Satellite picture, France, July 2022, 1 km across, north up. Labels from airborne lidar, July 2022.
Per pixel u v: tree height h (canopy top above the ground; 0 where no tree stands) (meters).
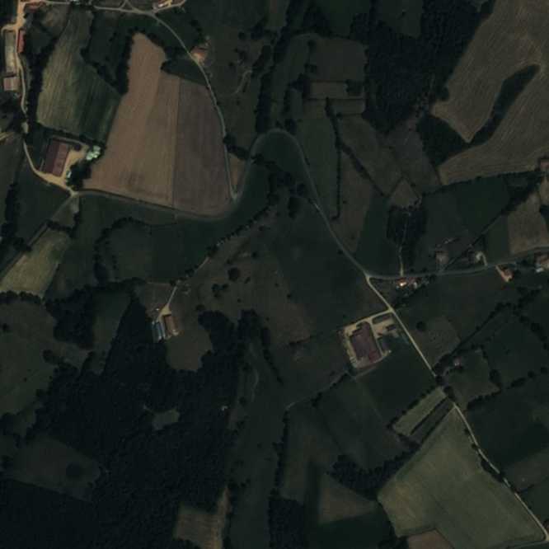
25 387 0
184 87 0
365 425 0
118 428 16
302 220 0
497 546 0
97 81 0
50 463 0
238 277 16
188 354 0
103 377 10
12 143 0
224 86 0
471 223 0
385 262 0
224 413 14
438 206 0
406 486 0
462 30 20
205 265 0
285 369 0
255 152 0
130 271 0
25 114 7
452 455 0
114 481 12
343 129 0
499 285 0
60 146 0
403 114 8
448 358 14
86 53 21
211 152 0
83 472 0
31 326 0
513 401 0
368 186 0
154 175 0
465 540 0
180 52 18
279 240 0
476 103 0
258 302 0
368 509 0
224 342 21
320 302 0
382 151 0
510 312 0
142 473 20
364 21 7
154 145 0
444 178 0
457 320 0
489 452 0
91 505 14
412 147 0
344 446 0
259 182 0
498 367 0
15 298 12
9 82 0
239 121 0
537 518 0
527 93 0
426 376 0
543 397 0
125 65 17
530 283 0
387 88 10
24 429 0
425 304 0
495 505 0
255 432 0
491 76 0
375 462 0
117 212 0
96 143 11
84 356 0
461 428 0
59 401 15
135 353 24
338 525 0
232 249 0
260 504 0
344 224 0
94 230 0
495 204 0
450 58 14
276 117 0
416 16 0
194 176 0
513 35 0
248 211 0
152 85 0
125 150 0
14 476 0
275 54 9
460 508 0
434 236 0
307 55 0
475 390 0
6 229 20
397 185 0
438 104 0
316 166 0
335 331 0
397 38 9
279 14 0
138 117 0
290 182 23
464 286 0
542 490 0
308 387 0
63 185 0
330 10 0
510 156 0
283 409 0
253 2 0
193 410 14
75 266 0
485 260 0
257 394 0
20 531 16
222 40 0
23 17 0
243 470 0
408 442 16
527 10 0
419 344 0
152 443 18
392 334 0
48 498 15
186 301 0
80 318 7
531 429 0
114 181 0
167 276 0
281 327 0
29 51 16
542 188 0
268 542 0
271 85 19
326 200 0
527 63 0
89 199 0
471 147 11
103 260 21
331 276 0
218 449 18
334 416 0
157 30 0
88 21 0
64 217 0
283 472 14
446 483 0
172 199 0
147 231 0
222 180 0
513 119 0
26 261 0
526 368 0
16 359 0
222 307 0
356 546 0
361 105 0
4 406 0
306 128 0
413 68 7
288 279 0
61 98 0
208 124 0
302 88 20
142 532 16
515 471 0
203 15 0
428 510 0
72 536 13
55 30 0
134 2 0
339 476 8
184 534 0
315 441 0
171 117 0
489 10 14
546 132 0
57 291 0
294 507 23
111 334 0
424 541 0
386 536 0
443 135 13
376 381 0
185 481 28
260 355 0
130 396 13
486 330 0
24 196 0
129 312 13
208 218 0
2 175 0
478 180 10
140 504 22
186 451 12
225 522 0
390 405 0
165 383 9
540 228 0
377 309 0
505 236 0
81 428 13
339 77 0
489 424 0
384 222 0
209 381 13
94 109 0
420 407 0
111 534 13
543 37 0
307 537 8
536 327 21
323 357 0
